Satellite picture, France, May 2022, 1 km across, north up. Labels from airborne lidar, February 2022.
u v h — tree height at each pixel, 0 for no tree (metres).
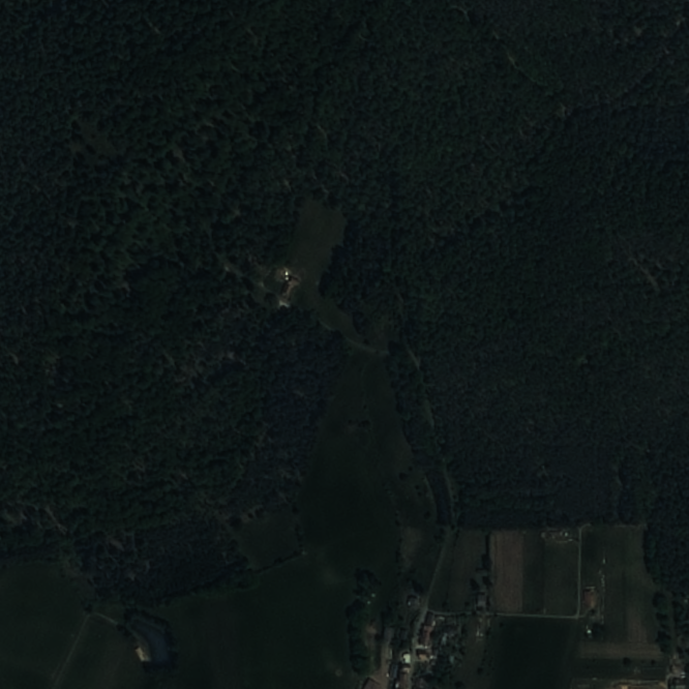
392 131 29
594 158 21
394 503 0
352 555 0
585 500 22
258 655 0
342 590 0
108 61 28
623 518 23
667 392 24
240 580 20
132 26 28
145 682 0
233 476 22
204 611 0
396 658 0
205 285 30
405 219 27
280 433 25
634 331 20
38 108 27
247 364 29
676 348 23
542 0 17
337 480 0
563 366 21
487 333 19
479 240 29
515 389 22
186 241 21
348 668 0
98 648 0
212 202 34
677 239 16
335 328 0
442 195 29
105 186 32
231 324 8
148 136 32
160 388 26
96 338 29
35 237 29
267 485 11
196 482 23
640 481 28
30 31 25
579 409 26
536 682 0
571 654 0
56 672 0
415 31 28
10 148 19
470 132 26
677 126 10
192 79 31
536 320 21
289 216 32
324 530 0
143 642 0
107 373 31
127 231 40
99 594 15
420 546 0
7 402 28
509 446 27
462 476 25
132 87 27
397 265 25
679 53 20
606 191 19
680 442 28
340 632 0
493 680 0
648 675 0
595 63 20
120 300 33
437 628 0
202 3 24
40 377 26
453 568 0
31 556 17
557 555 0
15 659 0
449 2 18
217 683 0
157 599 20
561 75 23
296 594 0
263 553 0
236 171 26
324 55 30
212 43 23
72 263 11
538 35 19
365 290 25
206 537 12
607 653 0
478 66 28
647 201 22
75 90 25
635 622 0
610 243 13
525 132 33
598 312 18
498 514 23
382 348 0
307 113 28
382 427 0
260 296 0
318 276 0
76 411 26
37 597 0
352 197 27
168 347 29
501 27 18
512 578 0
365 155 30
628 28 24
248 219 33
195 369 7
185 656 0
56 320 29
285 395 30
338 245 0
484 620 0
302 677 0
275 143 33
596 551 0
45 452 26
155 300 33
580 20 20
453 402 23
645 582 0
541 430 24
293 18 25
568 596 0
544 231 24
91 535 9
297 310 15
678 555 19
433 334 22
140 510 21
